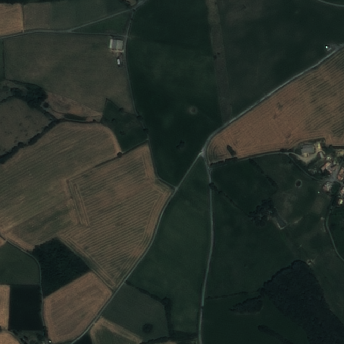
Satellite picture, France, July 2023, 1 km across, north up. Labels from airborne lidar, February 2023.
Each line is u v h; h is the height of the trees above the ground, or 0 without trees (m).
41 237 0
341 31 0
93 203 0
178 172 0
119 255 0
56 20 0
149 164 0
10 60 0
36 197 0
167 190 0
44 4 0
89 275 0
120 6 0
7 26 0
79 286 0
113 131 0
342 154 0
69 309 0
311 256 0
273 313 0
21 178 0
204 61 0
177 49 0
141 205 0
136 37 0
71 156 0
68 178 0
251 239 0
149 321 0
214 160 0
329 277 0
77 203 0
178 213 0
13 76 0
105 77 0
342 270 0
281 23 0
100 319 0
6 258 0
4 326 0
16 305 0
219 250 0
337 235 0
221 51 0
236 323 0
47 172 0
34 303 0
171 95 0
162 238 0
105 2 0
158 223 0
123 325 0
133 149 0
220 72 0
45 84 0
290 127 0
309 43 0
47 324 0
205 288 0
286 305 23
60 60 0
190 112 0
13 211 0
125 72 0
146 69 0
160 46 0
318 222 0
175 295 0
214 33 0
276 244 0
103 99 0
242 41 0
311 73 0
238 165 0
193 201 0
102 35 0
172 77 0
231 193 0
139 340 0
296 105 0
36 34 0
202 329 0
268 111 0
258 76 0
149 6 0
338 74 0
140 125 0
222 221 0
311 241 0
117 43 0
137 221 0
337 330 25
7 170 0
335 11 0
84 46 0
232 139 0
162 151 0
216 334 0
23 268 0
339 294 0
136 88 0
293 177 0
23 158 0
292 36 0
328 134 0
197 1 0
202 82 0
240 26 0
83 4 0
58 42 0
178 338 0
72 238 0
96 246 0
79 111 0
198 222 0
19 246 0
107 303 0
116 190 0
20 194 0
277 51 0
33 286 0
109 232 0
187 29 0
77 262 9
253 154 0
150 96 0
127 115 0
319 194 0
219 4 0
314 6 0
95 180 0
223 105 0
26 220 0
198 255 0
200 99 0
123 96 0
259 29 0
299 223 0
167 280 0
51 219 0
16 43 0
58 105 0
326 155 0
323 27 0
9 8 0
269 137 0
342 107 0
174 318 0
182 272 0
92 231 0
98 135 0
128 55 0
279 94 0
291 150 7
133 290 0
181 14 0
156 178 0
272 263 0
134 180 0
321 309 27
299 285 24
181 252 0
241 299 0
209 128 0
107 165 0
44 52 0
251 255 0
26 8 0
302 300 22
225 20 0
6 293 0
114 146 0
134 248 0
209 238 0
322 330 29
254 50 0
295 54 0
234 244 0
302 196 0
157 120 0
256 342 0
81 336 0
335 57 0
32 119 0
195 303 0
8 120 0
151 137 0
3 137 0
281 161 0
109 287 0
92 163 0
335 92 0
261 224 19
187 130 0
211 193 0
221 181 0
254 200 0
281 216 0
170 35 0
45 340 0
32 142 13
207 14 0
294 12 0
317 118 0
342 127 0
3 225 0
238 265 0
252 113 0
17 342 0
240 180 0
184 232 0
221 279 0
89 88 0
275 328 0
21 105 0
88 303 0
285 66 0
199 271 0
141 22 0
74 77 0
